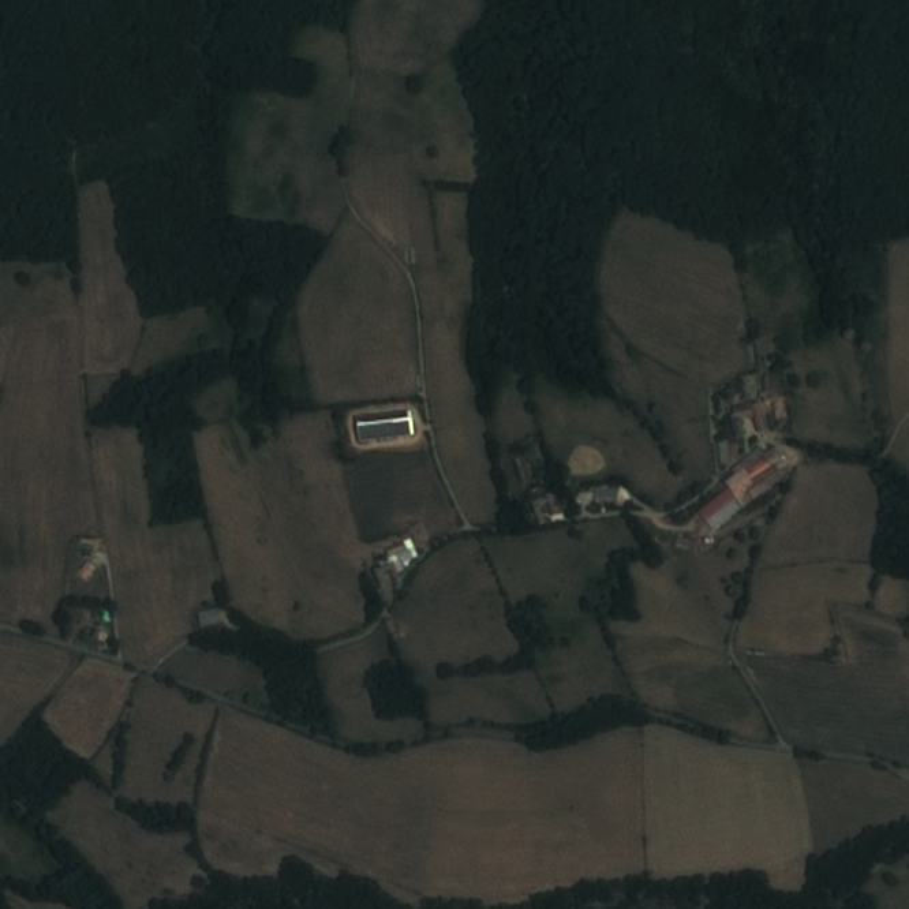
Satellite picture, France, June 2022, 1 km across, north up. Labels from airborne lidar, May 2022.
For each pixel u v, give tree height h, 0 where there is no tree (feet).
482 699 0
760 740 0
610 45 74
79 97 51
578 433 0
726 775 0
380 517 0
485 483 0
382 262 0
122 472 0
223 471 0
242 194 0
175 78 57
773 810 0
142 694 0
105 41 46
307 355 0
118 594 0
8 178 64
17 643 0
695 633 0
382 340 0
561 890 35
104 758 0
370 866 0
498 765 0
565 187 78
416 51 0
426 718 25
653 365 0
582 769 0
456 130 0
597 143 103
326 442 0
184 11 81
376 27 0
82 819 0
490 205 71
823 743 0
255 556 0
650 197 62
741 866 0
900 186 55
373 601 44
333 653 0
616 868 0
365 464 0
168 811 54
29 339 0
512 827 0
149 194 68
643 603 0
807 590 0
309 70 56
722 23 88
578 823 0
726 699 0
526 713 0
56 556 0
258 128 0
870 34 35
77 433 0
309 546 0
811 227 68
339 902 39
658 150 54
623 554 54
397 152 0
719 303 0
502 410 0
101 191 0
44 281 0
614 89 63
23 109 52
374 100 0
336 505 0
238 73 72
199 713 0
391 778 0
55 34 60
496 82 72
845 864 49
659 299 0
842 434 0
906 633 26
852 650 0
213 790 0
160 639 0
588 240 82
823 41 34
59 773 58
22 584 0
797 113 70
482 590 0
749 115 35
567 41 27
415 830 0
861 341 30
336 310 0
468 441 0
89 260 0
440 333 0
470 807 0
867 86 42
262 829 0
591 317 42
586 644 0
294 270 80
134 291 34
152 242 70
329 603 0
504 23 74
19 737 21
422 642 0
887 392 0
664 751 0
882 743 0
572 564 0
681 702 0
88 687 0
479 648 0
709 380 0
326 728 52
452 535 27
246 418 20
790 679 0
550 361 35
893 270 0
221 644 47
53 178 59
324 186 0
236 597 0
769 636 0
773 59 79
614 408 0
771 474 0
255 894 45
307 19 61
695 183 63
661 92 49
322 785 0
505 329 59
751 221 63
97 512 0
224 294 78
